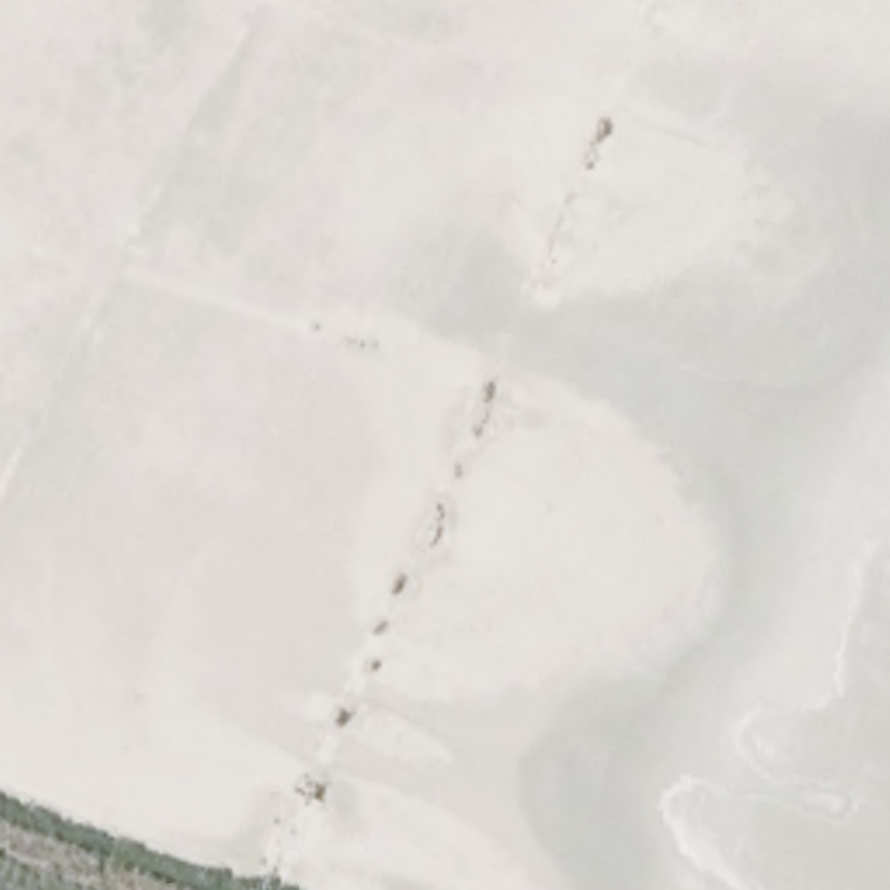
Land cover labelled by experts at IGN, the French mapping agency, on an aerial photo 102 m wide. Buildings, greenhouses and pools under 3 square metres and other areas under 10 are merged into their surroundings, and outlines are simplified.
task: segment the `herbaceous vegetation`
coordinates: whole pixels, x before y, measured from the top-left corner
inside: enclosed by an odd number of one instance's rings
[[[59,866],[66,883],[94,890],[174,890],[129,869],[97,873],[97,855],[0,820],[0,848],[10,859],[35,869]]]

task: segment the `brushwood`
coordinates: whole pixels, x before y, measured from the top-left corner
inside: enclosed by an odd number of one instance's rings
[[[66,820],[49,807],[31,807],[0,793],[0,820],[97,855],[97,873],[129,869],[174,890],[233,890],[229,883],[236,876],[229,869],[195,866],[153,852],[143,841],[115,838],[90,824]]]
[[[66,883],[59,866],[35,869],[10,859],[0,848],[0,890],[94,890]]]

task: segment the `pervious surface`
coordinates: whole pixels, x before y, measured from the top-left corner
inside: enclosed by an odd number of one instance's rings
[[[0,0],[0,793],[31,807],[49,807],[66,820],[90,824],[115,838],[143,841],[153,852],[195,866],[229,869],[236,876],[229,883],[233,890],[890,890],[890,0]]]

